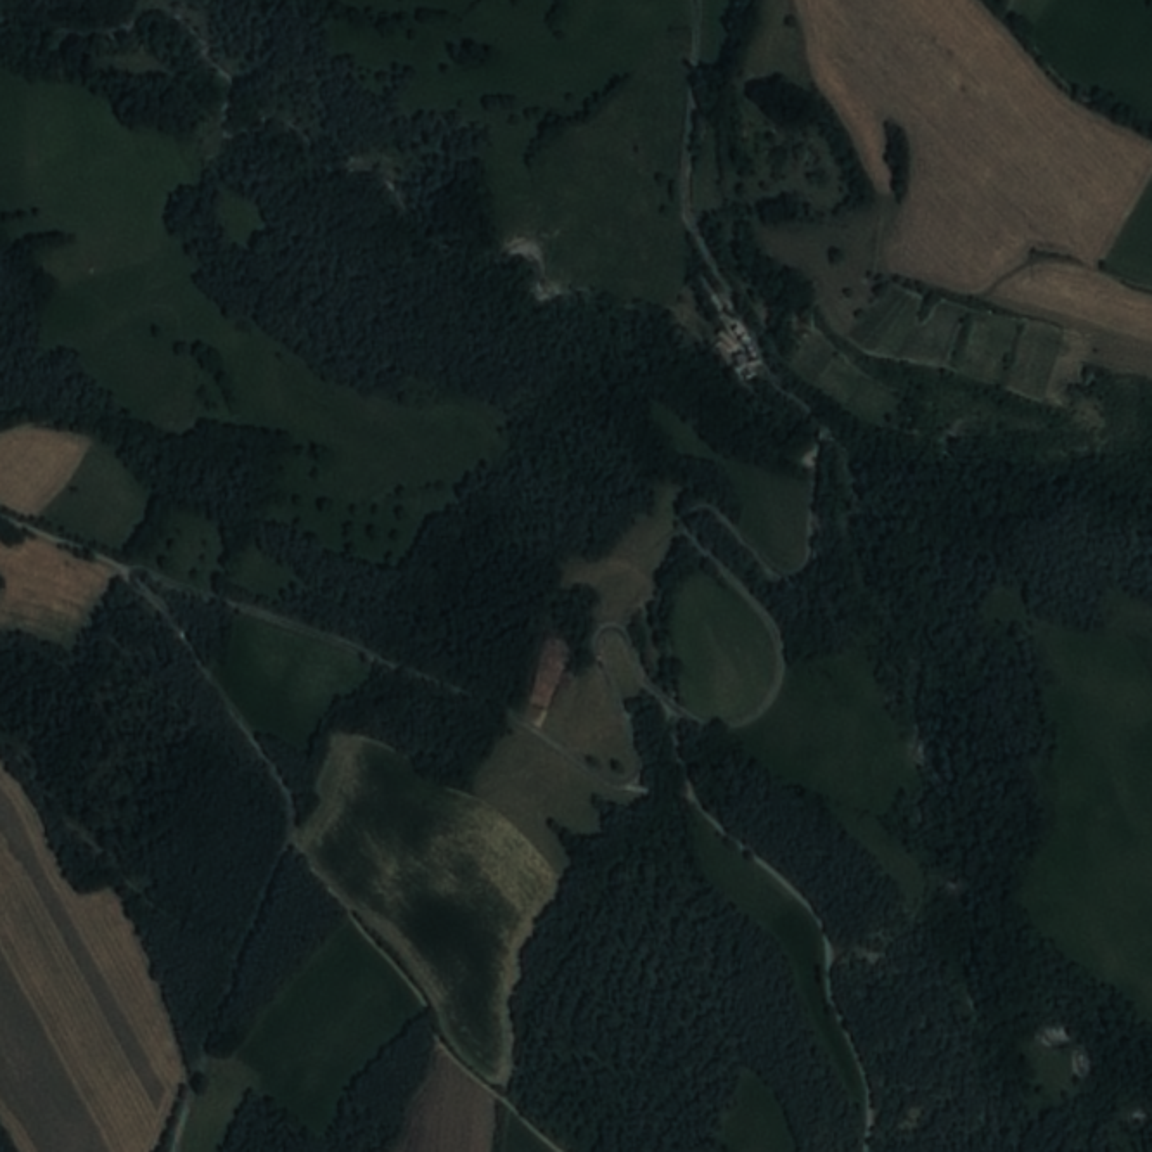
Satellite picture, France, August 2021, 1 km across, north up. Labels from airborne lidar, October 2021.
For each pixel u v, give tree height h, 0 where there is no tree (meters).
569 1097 12
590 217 0
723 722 12
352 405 0
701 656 0
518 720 0
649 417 20
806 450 0
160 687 15
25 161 0
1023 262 0
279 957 19
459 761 11
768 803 18
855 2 0
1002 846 18
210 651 14
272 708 0
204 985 17
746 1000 7
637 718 9
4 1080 0
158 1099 0
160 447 14
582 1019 15
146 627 16
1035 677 13
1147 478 9
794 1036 10
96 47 18
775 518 0
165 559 10
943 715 14
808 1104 10
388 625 12
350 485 0
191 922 15
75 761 22
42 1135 0
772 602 8
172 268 0
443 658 17
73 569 0
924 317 8
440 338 13
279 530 15
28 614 0
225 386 11
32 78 14
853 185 12
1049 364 0
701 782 15
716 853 0
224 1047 17
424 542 13
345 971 0
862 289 0
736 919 12
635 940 10
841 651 17
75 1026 0
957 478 15
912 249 0
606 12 0
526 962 11
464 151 16
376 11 8
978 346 0
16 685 11
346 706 12
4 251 16
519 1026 7
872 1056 13
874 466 16
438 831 0
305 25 17
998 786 18
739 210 9
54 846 10
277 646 0
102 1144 0
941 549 6
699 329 0
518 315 17
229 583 17
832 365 0
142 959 0
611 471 11
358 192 14
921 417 7
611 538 17
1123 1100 13
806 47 0
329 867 0
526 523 7
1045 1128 12
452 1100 0
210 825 14
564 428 7
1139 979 0
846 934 10
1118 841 0
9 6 10
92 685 21
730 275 7
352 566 17
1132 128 10
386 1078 16
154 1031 0
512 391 14
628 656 0
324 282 13
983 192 0
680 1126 12
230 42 15
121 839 17
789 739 0
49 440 0
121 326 0
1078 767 0
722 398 15
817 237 0
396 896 0
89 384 14
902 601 8
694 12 0
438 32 0
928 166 0
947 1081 16
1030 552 9
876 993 21
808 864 10
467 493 11
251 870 13
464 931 0
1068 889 0
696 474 16
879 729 0
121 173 0
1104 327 0
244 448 15
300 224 17
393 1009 0
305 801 11
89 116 0
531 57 0
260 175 13
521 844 0
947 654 15
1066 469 15
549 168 0
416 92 0
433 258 13
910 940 13
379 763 0
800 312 9
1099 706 0
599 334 9
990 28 0
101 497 0
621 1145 12
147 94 21
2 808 0
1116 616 0
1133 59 0
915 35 0
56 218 0
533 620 13
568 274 0
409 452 0
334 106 16
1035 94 0
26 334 23
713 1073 10
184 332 0
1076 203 0
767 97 23
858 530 17
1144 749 0
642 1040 14
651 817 18
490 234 17
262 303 13
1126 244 0
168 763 8
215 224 17
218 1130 0
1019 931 19
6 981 0
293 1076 0
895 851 0
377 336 19
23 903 0
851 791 0
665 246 0
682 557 11
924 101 0
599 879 18
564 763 0
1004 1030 10
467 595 16
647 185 0
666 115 0
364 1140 16
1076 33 0
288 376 0
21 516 7
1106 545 11
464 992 0
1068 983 20
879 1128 8
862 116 0
